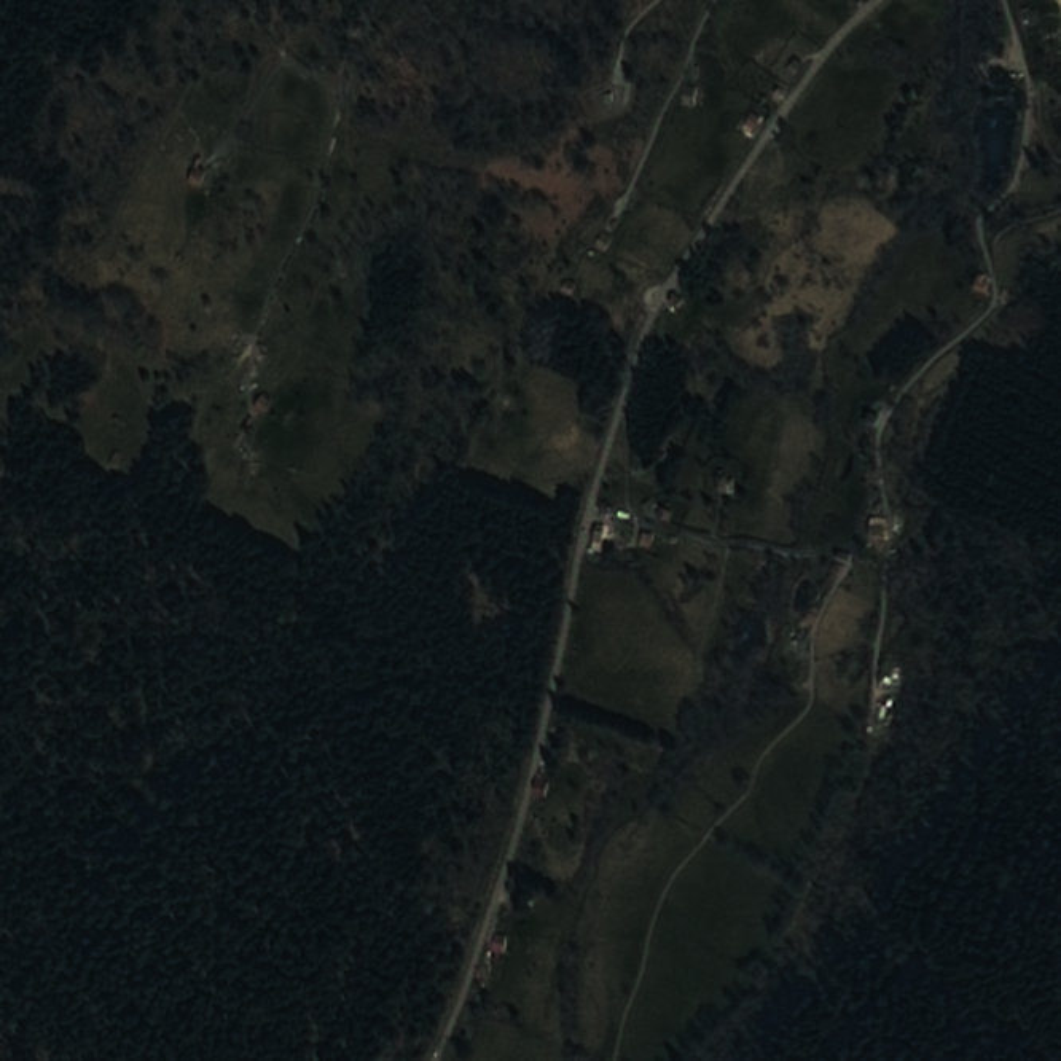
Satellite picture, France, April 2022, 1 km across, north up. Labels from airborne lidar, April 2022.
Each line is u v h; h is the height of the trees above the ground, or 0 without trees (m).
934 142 0
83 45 30
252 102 0
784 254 0
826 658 0
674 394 18
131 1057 33
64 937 33
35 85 30
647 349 13
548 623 37
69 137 16
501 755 6
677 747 23
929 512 16
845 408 0
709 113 0
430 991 16
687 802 0
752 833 0
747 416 0
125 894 16
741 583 0
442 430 22
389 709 34
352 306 0
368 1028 26
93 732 27
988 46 12
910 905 30
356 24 16
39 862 38
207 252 0
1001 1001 26
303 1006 34
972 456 17
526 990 0
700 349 7
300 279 0
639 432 18
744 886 0
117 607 35
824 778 0
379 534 10
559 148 15
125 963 34
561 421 0
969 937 28
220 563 32
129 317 22
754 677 20
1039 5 0
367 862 32
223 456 0
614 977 0
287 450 0
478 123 23
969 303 0
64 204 19
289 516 0
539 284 15
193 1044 10
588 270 0
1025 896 6
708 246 11
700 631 0
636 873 0
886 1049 26
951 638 16
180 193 0
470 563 30
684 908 0
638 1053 0
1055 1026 25
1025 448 18
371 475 21
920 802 9
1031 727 26
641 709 0
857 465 0
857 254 0
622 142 6
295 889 28
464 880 8
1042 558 9
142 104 8
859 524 0
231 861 36
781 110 0
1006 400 16
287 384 0
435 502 33
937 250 0
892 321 0
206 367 14
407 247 27
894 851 11
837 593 0
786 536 0
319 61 19
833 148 0
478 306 17
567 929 0
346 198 0
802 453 0
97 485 34
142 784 8
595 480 0
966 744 6
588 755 18
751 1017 8
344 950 33
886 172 19
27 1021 14
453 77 17
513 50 28
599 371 20
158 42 16
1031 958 25
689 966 0
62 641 7
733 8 9
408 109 32
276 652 29
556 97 17
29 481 17
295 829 33
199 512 31
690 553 0
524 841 6
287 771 8
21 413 26
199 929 37
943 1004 30
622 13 19
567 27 12
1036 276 7
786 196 0
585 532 0
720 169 0
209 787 40
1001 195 6
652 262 0
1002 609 7
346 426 0
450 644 22
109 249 0
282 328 0
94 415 0
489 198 18
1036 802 29
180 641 34
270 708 33
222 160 0
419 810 23
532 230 0
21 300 15
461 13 9
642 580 13
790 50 0
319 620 19
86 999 32
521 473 0
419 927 18
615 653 0
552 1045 0
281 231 0
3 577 29
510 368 11
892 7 0
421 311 23
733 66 0
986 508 18
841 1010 18
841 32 0
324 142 0
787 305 0
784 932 20
